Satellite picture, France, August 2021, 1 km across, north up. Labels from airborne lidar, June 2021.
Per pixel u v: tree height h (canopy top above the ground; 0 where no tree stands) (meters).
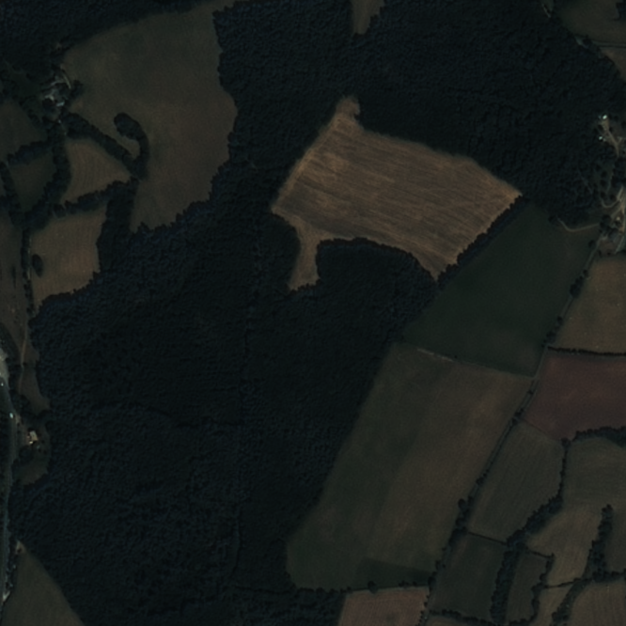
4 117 0
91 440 8
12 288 0
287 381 19
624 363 0
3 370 0
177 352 11
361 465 0
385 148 0
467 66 20
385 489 0
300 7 21
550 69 24
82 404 17
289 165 15
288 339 19
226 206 20
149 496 18
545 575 6
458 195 0
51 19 16
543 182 16
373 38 12
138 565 19
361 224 0
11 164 13
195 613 17
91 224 0
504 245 0
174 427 21
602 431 9
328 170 0
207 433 17
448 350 0
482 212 0
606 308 0
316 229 0
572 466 0
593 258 0
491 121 23
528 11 17
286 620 15
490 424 0
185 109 0
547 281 0
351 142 0
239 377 8
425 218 0
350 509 0
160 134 0
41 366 10
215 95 0
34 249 0
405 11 15
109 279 18
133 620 20
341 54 22
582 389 0
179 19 0
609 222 13
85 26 13
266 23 23
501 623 11
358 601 0
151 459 21
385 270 21
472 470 0
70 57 0
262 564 15
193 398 13
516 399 0
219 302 5
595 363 0
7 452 9
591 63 21
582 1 0
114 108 0
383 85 17
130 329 6
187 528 19
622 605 0
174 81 0
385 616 0
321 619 15
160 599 6
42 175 0
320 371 18
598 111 15
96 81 0
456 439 0
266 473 23
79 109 0
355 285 19
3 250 0
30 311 10
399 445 0
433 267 0
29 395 0
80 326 20
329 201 0
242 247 7
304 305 15
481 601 0
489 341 0
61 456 21
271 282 16
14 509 20
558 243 0
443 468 0
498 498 0
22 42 18
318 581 0
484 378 0
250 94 22
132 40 0
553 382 0
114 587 21
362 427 0
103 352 7
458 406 0
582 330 0
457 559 0
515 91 24
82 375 19
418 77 20
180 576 16
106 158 0
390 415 0
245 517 19
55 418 12
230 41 20
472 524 0
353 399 17
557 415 0
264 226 18
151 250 24
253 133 15
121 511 14
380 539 0
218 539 15
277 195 17
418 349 0
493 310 0
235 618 11
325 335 17
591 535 0
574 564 0
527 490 0
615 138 0
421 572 0
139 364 17
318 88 21
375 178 0
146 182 0
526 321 0
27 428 0
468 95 22
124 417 17
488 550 0
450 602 0
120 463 17
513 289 0
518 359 0
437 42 23
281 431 17
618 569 0
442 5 17
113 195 16
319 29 21
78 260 0
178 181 0
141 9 19
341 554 0
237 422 7
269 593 16
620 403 0
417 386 0
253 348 16
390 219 0
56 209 14
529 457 0
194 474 16
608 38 0
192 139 0
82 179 0
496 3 23
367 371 14
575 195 20
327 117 17
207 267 6
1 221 0
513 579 7
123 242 14
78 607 17
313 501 16
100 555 16
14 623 0
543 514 9
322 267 18
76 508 22
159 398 6
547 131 24
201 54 0
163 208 0
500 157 20
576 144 20
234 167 16
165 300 11
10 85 15
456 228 0
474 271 0
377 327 16
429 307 11
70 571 20
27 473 0
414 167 0
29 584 0
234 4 0
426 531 0
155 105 0
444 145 22
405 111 20
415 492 0
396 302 18
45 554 20
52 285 0
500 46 20
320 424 21
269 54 19
